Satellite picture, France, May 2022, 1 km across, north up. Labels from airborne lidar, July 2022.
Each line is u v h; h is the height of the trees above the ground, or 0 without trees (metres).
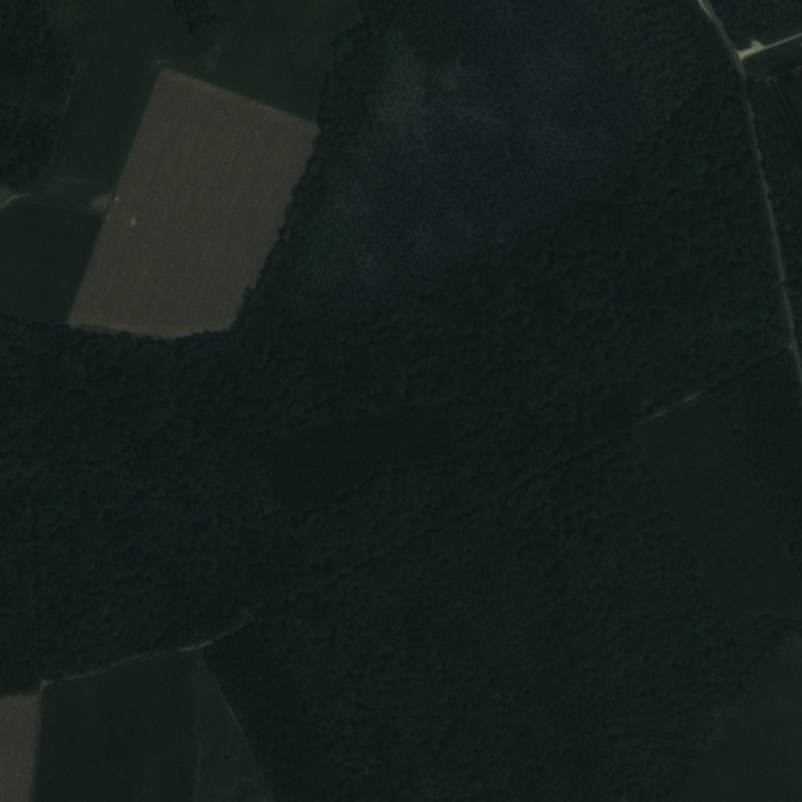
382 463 10
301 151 0
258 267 0
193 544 23
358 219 24
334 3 0
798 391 19
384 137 25
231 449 20
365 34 14
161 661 0
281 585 24
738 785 0
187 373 27
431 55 23
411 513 23
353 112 25
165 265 0
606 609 21
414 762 24
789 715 0
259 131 0
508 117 25
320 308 19
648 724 26
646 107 25
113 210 0
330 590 25
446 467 21
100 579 23
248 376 30
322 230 24
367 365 28
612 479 23
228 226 0
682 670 25
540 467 27
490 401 22
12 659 18
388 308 21
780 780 0
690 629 19
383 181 22
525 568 25
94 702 0
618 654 19
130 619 24
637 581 24
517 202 24
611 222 33
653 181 27
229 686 6
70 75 20
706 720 23
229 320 0
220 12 0
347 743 25
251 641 12
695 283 33
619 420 31
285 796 10
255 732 10
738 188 23
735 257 17
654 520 24
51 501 29
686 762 22
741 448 10
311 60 0
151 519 23
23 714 0
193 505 29
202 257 0
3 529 6
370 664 23
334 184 20
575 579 19
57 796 0
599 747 18
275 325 20
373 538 26
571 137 22
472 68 22
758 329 16
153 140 0
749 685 22
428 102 24
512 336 28
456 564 15
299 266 21
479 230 23
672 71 26
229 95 0
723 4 28
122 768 0
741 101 24
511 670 17
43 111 11
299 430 15
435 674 22
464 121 19
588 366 27
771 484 18
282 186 0
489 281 25
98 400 31
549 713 15
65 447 25
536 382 25
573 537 31
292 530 21
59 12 0
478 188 22
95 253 0
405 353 30
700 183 27
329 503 11
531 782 27
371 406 25
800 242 27
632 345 28
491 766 25
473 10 21
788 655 0
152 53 0
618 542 20
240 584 26
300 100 0
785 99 0
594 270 33
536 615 17
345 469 9
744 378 20
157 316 0
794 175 23
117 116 0
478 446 20
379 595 21
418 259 24
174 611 27
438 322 20
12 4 24
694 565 27
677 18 20
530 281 28
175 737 0
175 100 0
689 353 27
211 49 0
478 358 29
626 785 16
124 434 25
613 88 26
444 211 24
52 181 0
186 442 21
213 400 26
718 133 26
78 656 22
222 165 0
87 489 28
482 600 15
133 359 25
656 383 23
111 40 0
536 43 25
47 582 23
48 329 18
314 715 26
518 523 24
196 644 15
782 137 22
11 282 0
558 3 26
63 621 26
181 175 0
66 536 30
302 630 23
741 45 8
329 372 25
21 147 22
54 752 0
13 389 30
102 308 0
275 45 0
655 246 27
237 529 25
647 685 29
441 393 19
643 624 26
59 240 0
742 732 0
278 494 11
